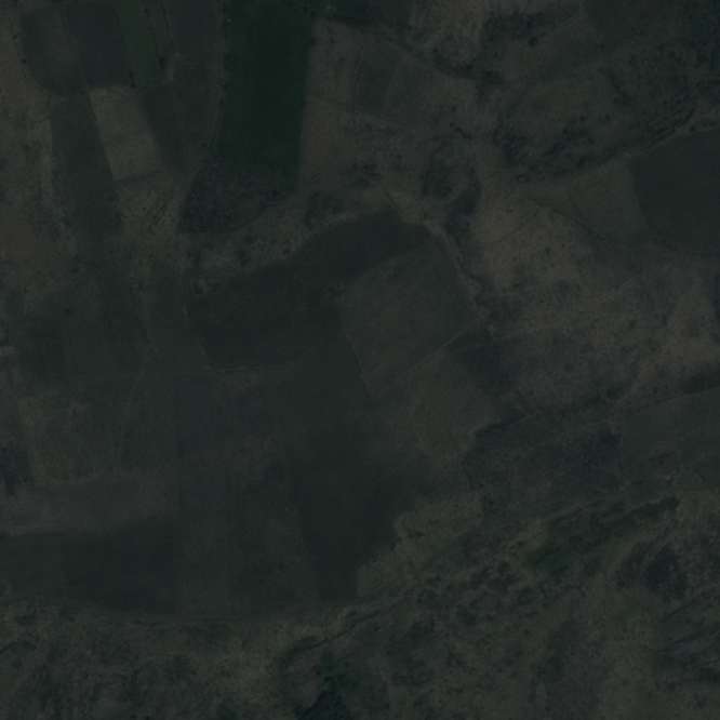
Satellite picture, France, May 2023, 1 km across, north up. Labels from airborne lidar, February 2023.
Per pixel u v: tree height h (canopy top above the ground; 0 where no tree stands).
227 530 0
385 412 0
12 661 0
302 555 0
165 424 0
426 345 0
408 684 0
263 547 0
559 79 0
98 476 0
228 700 0
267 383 0
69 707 0
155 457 0
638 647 0
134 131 0
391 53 0
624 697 0
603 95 0
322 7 0
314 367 0
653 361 0
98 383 0
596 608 0
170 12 0
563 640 0
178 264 0
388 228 0
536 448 0
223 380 0
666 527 0
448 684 0
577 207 0
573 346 0
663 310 0
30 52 0
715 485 0
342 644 0
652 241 0
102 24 0
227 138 0
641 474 0
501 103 0
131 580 0
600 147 0
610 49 0
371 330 0
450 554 0
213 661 0
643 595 0
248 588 0
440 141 0
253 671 0
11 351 0
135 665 0
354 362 0
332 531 0
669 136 0
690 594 0
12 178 0
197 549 0
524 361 0
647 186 0
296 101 0
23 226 0
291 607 0
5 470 0
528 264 0
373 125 0
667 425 0
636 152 0
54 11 0
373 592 0
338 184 0
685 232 0
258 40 0
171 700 0
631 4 0
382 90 0
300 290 0
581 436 0
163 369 0
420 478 0
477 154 0
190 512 0
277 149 0
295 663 0
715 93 0
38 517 0
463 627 0
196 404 0
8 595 0
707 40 0
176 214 0
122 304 0
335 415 0
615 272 0
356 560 0
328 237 0
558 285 0
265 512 0
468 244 0
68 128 0
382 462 0
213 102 0
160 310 0
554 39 0
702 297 0
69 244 0
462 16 0
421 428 0
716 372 0
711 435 0
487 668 0
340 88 0
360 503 0
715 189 0
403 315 0
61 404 0
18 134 0
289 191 0
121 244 0
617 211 0
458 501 0
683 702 0
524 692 0
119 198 0
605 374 0
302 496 0
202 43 0
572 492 0
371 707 0
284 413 0
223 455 0
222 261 0
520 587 0
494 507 0
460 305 0
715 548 0
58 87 0
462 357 0
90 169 0
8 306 0
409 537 0
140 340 0
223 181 0
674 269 0
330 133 0
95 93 0
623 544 0
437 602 0
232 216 0
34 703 0
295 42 0
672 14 0
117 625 0
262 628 0
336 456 0
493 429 0
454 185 0
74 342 0
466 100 0
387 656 0
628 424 0
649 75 0
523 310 0
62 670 0
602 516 0
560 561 0
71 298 0
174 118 0
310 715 20
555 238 0
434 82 0
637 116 0
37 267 0
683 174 0
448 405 0
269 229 0
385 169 0
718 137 0
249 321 0
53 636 0
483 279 0
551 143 0
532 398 0
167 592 0
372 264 0
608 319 0
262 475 0
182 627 0
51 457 0
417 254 0
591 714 0
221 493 0
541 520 0
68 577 0
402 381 0
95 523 0
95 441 0
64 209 0
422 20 0
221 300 0
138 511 0
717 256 0
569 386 0
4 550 0
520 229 0
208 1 0
